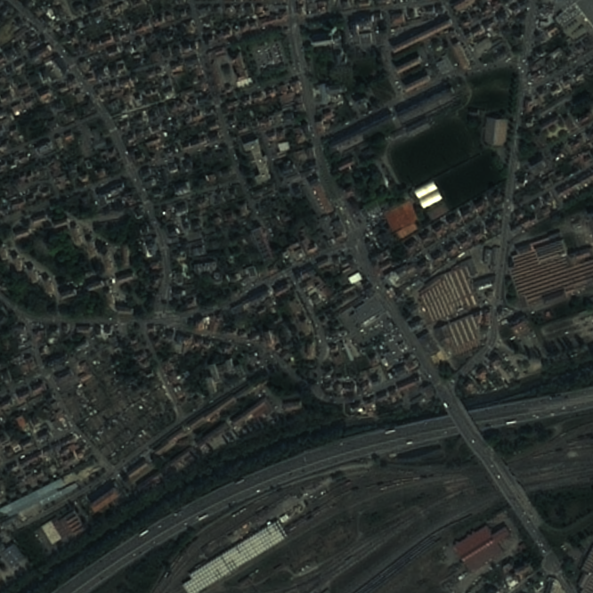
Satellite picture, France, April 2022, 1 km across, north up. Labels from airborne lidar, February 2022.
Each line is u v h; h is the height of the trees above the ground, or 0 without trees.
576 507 0
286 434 19
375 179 21
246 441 16
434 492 0
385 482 0
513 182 0
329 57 17
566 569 12
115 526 17
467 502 0
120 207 15
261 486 0
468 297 0
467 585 0
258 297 0
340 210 0
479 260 0
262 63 0
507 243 0
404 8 0
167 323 0
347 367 0
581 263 0
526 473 0
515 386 15
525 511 0
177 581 0
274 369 15
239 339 0
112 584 0
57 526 0
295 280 0
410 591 0
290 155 5
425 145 0
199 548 0
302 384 0
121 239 19
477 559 0
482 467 0
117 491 0
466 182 0
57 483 0
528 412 0
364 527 0
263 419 0
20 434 8
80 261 17
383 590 0
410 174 0
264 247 0
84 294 16
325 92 0
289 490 0
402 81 0
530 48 0
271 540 0
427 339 0
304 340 9
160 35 16
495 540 0
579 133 0
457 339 0
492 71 0
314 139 0
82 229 0
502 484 0
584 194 9
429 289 0
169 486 21
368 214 0
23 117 6
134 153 10
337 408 17
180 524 0
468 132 0
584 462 0
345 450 0
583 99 14
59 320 0
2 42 0
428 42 0
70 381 0
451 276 0
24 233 0
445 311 0
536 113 12
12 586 15
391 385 0
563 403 0
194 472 21
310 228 14
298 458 0
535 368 0
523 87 0
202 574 0
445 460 0
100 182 0
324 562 0
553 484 0
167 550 14
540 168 0
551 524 6
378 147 16
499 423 0
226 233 16
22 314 0
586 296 0
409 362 0
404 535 0
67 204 16
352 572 0
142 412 7
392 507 0
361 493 0
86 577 0
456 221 0
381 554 0
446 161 0
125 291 13
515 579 0
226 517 0
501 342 0
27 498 0
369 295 0
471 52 0
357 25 0
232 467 15
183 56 0
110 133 0
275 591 0
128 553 0
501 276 0
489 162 0
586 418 0
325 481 0
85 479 0
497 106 0
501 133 0
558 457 0
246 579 0
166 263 0
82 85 0
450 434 0
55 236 17
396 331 0
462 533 0
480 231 0
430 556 0
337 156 15
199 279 12
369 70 0
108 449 0
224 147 11
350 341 0
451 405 0
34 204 8
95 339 0
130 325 0
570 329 0
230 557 0
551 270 0
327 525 0
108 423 13
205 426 0
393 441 0
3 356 7
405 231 0
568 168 0
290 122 0
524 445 15
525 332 0
